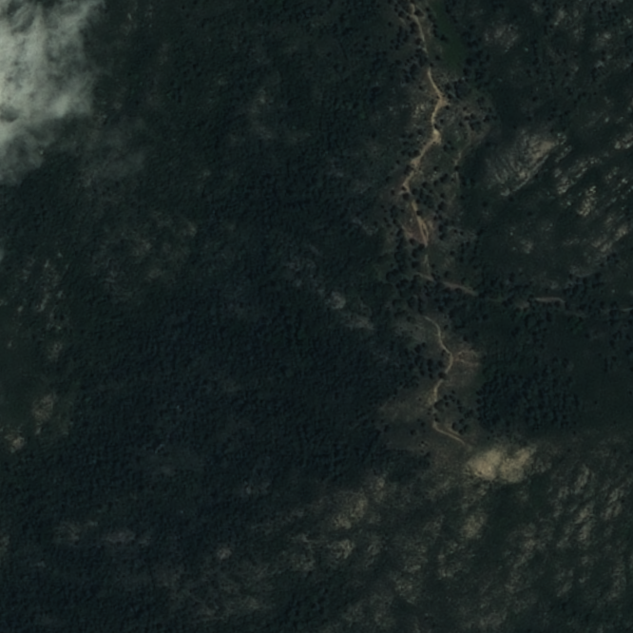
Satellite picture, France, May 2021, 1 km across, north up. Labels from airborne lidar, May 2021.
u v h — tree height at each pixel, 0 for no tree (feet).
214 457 24
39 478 26
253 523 20
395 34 0
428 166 0
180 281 35
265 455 21
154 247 22
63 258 20
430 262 0
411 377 37
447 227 39
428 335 0
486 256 21
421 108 0
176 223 29
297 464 25
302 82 38
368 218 28
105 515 19
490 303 22
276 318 40
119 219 24
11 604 33
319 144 42
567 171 0
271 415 45
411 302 42
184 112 28
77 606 34
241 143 18
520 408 81
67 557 26
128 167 29
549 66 71
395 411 0
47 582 40
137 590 18
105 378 39
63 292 19
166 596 23
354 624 23
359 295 29
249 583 20
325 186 35
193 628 22
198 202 43
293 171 40
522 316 46
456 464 0
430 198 57
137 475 38
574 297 68
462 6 66
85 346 21
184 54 56
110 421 36
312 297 29
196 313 54
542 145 0
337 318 36
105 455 36
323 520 20
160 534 18
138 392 25
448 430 0
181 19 20
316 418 36
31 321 24
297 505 21
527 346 26
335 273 40
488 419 47
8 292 20
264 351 41
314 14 45
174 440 35
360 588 20
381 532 22
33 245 20
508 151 0
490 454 0
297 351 31
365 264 35
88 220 32
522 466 0
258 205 45
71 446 24
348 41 64
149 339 41
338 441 40
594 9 49
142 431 45
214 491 23
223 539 22
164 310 40
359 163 25
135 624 70
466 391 0
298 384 31
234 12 18
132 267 23
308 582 28
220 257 29
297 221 32
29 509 38
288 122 22
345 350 39
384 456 25
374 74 43
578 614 56
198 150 36
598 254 0
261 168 26
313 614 23
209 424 32
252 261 42
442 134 0
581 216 26
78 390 30
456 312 49
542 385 84
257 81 21
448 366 73
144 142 28
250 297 24
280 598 22
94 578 25
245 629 29
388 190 0
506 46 0
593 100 62
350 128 45
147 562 25
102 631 25
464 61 0
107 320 41
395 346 52
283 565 23
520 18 61
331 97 54
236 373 30
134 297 20
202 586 23
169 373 25
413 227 0
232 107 23
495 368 41
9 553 35
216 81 28
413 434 34
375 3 41
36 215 32
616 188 0
